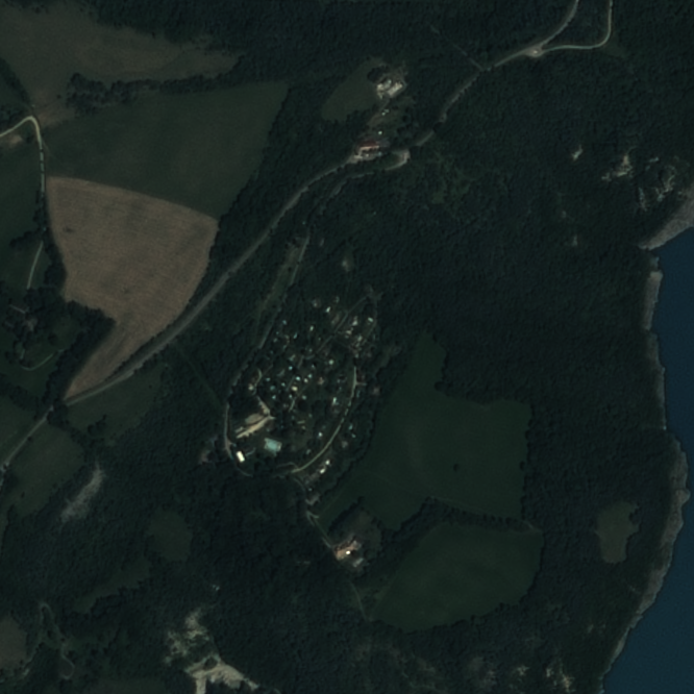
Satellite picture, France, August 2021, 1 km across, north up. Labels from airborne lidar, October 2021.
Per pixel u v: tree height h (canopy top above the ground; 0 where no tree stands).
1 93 0
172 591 13
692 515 0
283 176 8
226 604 17
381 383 10
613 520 0
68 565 8
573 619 11
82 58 0
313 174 9
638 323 12
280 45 9
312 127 11
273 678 14
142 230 0
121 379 0
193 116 0
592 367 15
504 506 0
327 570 14
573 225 8
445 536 0
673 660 0
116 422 0
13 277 0
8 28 0
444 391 17
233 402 23
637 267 8
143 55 0
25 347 13
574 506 19
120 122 0
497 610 8
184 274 0
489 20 20
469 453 0
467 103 10
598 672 13
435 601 0
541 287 13
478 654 11
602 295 10
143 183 0
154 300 0
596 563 13
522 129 10
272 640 16
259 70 12
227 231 11
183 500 15
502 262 7
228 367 11
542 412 16
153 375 0
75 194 0
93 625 25
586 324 15
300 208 11
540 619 7
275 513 17
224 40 9
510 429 0
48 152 0
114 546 15
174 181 0
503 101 9
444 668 12
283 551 6
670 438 9
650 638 0
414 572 0
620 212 13
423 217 8
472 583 0
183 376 15
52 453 0
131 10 13
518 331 18
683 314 0
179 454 13
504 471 0
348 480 12
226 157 0
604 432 14
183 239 0
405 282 17
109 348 0
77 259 0
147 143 0
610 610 10
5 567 9
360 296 9
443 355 0
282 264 7
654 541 14
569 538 17
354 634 16
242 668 16
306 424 0
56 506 9
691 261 0
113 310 0
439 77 9
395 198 12
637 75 6
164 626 9
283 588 8
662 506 10
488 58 9
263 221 9
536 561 0
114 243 0
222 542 23
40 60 0
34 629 8
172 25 11
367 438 7
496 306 14
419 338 12
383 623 10
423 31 10
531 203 7
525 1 9
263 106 0
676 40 13
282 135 18
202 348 14
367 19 9
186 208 0
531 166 11
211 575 15
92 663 15
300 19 14
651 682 0
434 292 19
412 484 0
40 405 21
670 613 0
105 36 0
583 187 14
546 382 16
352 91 0
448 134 13
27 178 0
